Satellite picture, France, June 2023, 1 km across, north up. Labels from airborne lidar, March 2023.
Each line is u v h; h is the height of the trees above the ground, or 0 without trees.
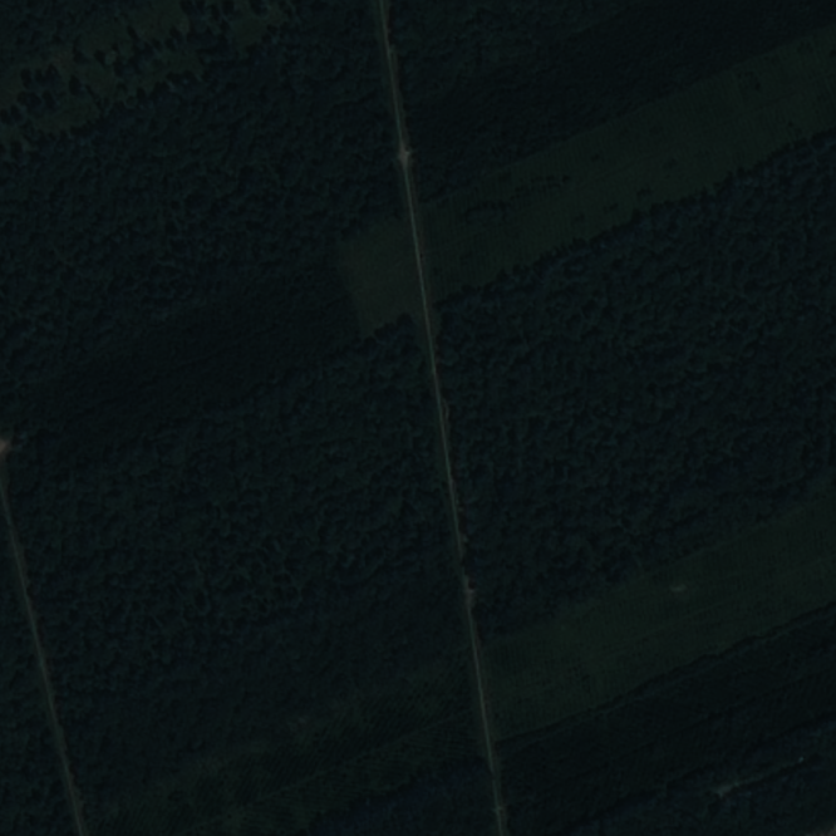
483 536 32
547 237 0
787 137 0
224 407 22
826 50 0
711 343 24
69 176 26
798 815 25
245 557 24
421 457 24
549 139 11
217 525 24
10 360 21
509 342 22
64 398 15
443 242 0
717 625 0
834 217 22
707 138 0
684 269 18
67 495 23
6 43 22
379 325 0
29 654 22
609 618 0
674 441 32
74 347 19
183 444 23
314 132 23
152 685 25
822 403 30
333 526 17
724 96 0
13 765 18
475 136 19
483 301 19
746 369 21
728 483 23
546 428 23
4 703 26
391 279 0
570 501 20
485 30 25
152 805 0
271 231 22
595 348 23
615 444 23
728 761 14
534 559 32
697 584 0
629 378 20
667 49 13
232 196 22
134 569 24
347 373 23
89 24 18
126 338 21
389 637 34
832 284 22
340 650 34
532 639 0
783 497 33
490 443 22
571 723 6
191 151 24
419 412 24
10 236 26
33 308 18
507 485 26
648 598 0
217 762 18
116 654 22
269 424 21
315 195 21
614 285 22
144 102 25
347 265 0
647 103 7
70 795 0
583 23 16
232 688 37
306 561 26
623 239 22
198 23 25
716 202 19
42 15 22
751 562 0
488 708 0
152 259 19
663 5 12
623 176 0
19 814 17
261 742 19
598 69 12
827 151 24
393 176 20
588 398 20
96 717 29
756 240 20
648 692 8
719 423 22
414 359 22
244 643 25
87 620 24
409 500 23
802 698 6
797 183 22
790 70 0
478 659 0
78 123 0
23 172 19
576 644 0
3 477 0
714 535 26
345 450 22
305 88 25
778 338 23
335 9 28
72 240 24
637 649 0
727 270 23
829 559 0
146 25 0
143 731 36
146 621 18
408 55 21
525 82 9
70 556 12
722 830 23
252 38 0
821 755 24
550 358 23
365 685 33
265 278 14
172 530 25
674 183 0
